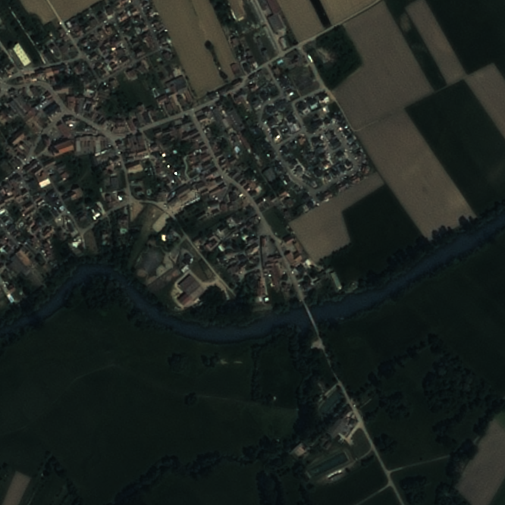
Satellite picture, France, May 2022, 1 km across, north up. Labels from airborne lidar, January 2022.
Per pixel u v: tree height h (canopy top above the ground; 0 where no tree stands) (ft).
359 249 0
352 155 0
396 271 86
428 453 0
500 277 0
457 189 0
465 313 0
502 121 0
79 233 0
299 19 0
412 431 0
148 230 0
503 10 0
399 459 0
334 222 0
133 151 0
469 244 0
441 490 49
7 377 0
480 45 0
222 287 0
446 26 0
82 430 0
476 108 0
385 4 0
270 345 29
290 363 0
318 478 0
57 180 0
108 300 89
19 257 0
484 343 0
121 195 0
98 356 0
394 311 0
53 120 0
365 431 0
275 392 0
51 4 0
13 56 0
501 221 0
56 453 0
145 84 0
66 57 0
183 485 0
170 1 0
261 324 0
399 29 0
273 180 48
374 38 0
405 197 0
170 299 0
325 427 60
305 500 65
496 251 0
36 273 0
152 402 0
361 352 0
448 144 0
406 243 0
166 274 0
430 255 0
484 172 0
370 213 0
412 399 0
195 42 0
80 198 33
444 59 0
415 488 75
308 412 111
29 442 0
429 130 0
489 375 0
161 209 0
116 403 0
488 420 37
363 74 0
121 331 0
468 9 0
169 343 0
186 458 0
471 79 0
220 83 0
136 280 44
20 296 0
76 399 0
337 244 0
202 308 49
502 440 0
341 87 0
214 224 0
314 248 0
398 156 0
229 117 0
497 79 0
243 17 0
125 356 0
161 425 0
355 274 0
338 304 0
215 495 0
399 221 0
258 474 0
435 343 38
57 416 0
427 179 0
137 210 0
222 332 0
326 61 0
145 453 0
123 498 76
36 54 0
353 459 0
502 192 0
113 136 0
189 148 0
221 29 0
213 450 0
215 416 0
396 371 0
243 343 0
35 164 0
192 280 0
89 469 0
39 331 0
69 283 0
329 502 0
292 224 0
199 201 25
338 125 0
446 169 0
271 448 53
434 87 0
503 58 0
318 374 52
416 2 0
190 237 0
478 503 0
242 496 0
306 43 0
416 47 0
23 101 0
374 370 0
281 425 0
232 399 0
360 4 0
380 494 0
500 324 0
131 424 0
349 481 0
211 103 0
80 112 0
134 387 0
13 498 0
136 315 64
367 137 0
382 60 0
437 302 0
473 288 0
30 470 0
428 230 0
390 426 0
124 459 0
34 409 0
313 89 0
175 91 0
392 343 0
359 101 0
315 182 0
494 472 0
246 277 19
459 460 52
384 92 0
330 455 0
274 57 0
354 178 0
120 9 0
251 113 0
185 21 0
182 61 0
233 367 0
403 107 0
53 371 0
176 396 0
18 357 0
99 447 0
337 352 0
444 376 70
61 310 0
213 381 0
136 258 0
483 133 0
